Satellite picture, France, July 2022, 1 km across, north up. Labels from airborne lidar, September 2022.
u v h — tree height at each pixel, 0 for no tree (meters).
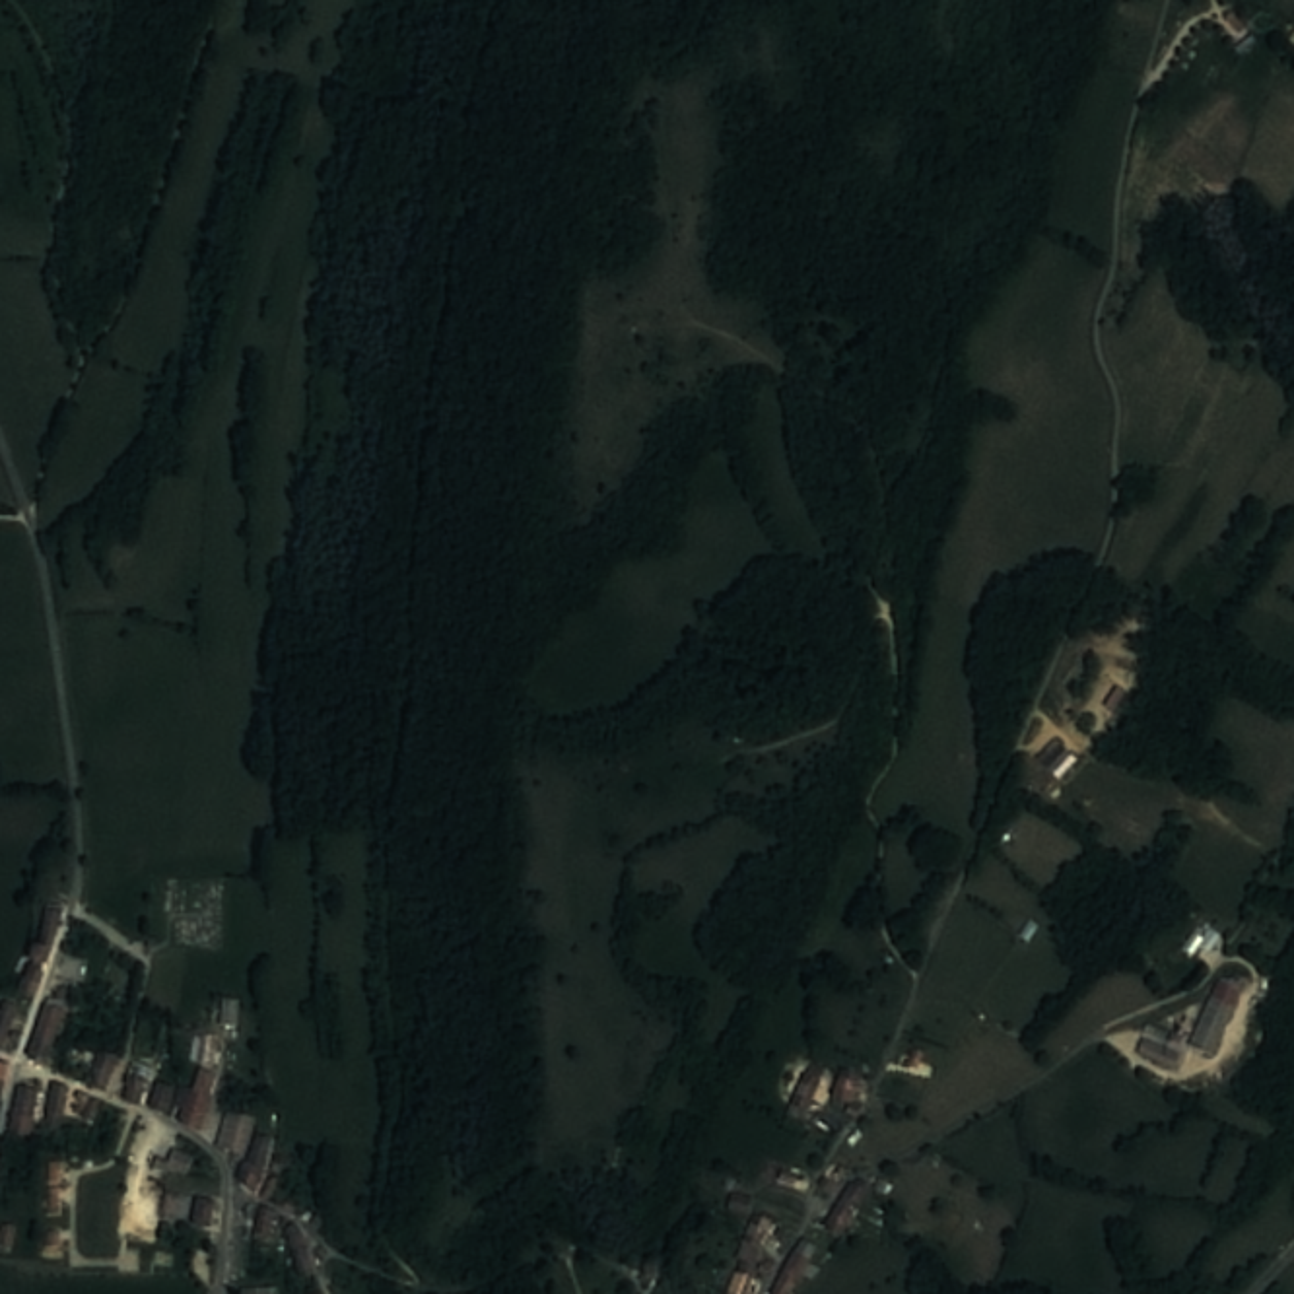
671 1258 12
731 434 15
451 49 22
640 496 15
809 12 6
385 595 23
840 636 19
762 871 16
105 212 8
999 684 16
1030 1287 15
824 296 14
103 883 0
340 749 22
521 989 8
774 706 15
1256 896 15
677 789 0
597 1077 0
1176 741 21
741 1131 0
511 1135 17
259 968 13
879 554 10
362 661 18
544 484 11
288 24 9
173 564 0
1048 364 0
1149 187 0
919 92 7
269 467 0
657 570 0
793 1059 0
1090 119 0
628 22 20
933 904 12
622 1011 0
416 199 22
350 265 16
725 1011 0
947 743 0
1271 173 0
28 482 0
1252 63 0
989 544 0
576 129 20
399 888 14
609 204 11
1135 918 24
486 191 19
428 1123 19
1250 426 0
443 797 12
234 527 0
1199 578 0
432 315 21
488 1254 19
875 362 19
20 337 0
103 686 0
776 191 7
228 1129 0
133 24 15
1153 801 0
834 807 14
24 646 0
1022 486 0
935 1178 0
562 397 9
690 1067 10
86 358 14
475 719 16
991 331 0
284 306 0
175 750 0
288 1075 0
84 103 15
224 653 0
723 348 0
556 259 22
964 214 6
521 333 19
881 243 14
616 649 0
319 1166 16
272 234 0
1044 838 0
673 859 0
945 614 0
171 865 0
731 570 0
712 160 0
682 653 14
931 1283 23
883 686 17
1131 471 9
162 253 0
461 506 16
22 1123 0
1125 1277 16
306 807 20
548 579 14
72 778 0
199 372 22
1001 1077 0
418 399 20
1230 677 14
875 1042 0
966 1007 0
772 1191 0
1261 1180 11
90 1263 0
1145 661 14
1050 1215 0
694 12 20
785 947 16
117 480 12
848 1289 0
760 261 17
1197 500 0
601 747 11
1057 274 0
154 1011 15
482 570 16
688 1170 14
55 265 14
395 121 23
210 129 0
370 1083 0
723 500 0
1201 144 0
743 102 7
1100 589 16
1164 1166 0
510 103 21
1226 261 24
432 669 23
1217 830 0
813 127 7
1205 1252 14
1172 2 0
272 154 16
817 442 20
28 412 0
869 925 18
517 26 20
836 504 12
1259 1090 16
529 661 17
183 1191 0
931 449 12
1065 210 0
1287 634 0
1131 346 0
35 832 0
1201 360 0
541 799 0
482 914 23
